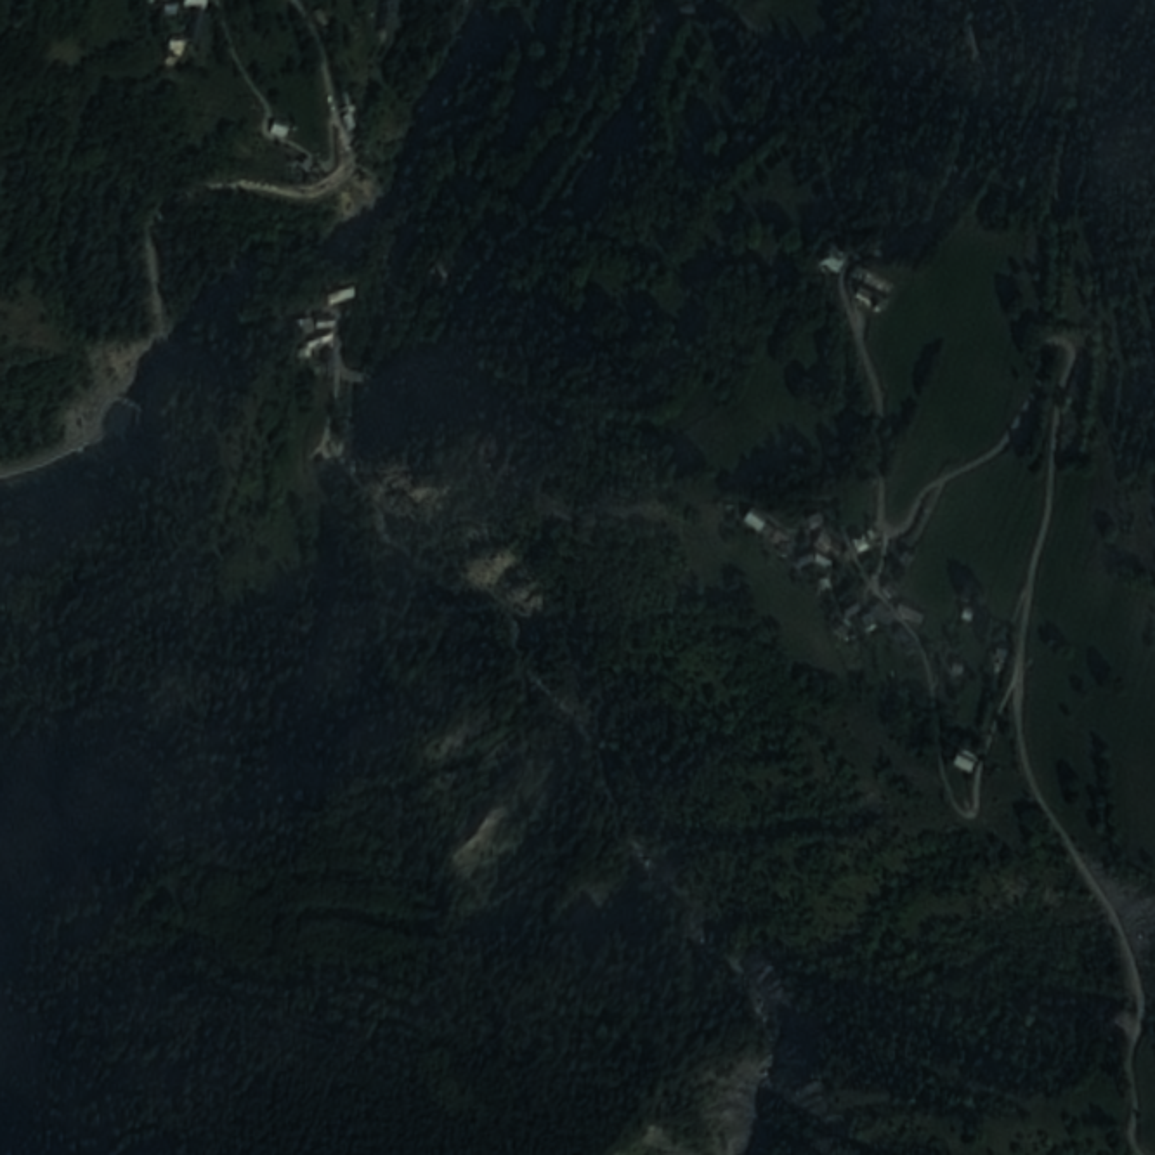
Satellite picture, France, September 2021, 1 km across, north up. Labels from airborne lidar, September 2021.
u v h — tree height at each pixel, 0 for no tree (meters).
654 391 25
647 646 19
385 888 17
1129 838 0
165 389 17
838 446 14
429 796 6
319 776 27
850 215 18
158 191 18
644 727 22
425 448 17
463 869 0
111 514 24
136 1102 25
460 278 11
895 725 14
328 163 0
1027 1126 8
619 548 26
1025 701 0
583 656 25
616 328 28
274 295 24
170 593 7
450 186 0
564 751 14
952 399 0
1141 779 0
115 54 16
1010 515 0
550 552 22
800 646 0
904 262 17
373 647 27
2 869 14
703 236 0
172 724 24
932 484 0
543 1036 18
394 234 11
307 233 13
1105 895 0
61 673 16
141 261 16
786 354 20
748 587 10
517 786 15
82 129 7
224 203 25
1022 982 12
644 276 17
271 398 10
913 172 17
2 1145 23
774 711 25
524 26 8
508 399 9
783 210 0
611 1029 26
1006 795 0
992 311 0
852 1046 8
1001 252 0
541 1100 21
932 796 0
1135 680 0
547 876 25
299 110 0
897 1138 7
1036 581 0
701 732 16
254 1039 24
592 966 33
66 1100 20
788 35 0
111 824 17
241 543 10
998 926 6
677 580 7
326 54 10
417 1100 21
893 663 0
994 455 0
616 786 27
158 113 27
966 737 9
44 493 0
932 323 0
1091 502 0
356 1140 19
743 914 13
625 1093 25
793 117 17
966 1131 13
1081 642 0
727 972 16
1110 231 19
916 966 11
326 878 16
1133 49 14
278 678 31
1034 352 9
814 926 10
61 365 13
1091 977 6
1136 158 16
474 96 17
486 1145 21
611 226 21
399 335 15
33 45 24
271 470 17
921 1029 10
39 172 24
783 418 0
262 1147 20
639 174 29
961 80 10
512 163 25
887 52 19
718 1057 8
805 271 9
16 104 18
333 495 21
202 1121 20
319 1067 24
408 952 13
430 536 15
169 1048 25
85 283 29
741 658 20
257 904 16
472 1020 19
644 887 25
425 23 20
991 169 7
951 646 12
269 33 13
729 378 22
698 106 0
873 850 7
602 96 23
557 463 10
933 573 0
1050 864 6
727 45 21
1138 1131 0
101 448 0
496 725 10
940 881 13
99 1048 20
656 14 0
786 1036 0
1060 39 27
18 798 18
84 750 23
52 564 27
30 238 20
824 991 15
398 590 8
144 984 18
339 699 25
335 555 22
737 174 18
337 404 14
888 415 0
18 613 23
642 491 6
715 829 20
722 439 0
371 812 18
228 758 21
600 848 9
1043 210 13
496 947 26
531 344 23
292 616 25
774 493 18
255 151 6
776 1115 12
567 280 26
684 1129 8
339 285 19
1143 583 15
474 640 8
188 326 16
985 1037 7
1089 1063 16
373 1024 15
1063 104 15
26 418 28
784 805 12
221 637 14
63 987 23
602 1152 15
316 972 10
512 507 18
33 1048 24
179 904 8
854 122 15
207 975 18
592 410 9
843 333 12
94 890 24
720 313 20
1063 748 0
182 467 20
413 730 13
